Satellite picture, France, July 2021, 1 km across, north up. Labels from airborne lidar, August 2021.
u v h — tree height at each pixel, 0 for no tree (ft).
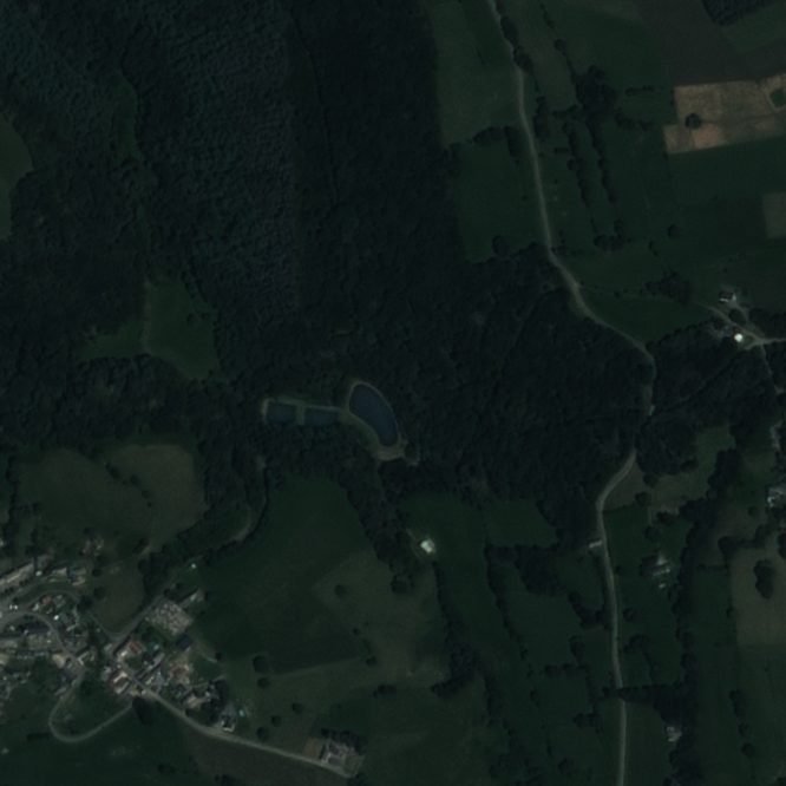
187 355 0
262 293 79
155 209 47
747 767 0
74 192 100
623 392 97
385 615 0
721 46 0
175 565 65
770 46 0
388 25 81
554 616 0
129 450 0
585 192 41
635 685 0
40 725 0
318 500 0
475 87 0
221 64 84
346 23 87
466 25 0
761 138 0
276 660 0
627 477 0
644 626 0
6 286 72
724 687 0
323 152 26
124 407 68
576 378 82
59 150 78
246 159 81
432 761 0
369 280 89
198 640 0
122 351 0
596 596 0
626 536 0
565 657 0
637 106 0
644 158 0
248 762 0
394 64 84
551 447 106
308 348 71
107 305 54
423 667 0
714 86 0
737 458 73
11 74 69
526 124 0
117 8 94
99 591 42
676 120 0
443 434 80
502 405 85
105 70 69
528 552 76
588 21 0
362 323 82
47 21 73
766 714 0
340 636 0
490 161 0
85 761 0
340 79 63
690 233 0
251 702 0
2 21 84
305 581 0
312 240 20
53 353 66
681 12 0
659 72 0
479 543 0
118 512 0
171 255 46
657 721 0
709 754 0
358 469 76
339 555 0
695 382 57
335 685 0
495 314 63
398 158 81
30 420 83
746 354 42
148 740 0
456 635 45
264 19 109
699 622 0
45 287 63
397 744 0
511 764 35
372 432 0
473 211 0
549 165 0
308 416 0
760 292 0
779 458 33
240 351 64
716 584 0
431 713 0
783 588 0
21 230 58
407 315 85
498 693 51
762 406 80
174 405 106
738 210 0
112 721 0
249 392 44
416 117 75
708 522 53
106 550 0
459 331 82
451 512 0
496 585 70
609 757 0
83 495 0
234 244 99
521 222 0
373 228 64
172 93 89
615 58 0
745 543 29
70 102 89
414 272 89
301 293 21
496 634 0
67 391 81
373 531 55
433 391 88
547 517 75
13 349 106
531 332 86
